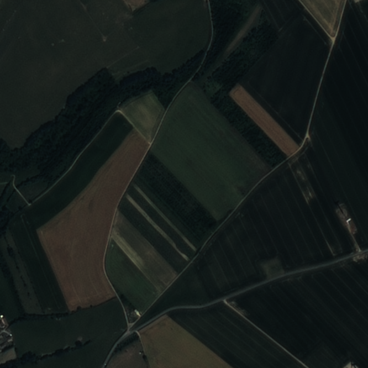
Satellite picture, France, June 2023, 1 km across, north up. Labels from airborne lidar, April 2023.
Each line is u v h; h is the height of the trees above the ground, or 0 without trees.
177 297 0
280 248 0
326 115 0
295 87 0
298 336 0
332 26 0
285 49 0
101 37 0
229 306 0
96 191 0
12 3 0
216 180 0
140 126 0
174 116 0
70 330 0
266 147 7
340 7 0
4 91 0
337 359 0
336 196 0
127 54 0
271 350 0
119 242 0
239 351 0
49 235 0
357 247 0
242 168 0
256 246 0
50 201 0
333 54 0
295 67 0
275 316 0
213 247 0
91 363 0
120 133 0
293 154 0
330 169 0
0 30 0
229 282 0
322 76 0
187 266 0
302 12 0
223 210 0
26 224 0
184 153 0
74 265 0
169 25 0
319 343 0
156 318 0
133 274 0
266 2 0
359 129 0
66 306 0
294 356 0
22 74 0
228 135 0
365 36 0
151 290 0
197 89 0
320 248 0
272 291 0
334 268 0
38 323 0
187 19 0
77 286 0
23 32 0
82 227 0
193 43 0
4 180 0
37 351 0
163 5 0
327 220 0
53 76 0
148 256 0
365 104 0
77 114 11
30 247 0
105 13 0
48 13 0
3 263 10
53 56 0
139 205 0
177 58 0
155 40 0
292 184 0
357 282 0
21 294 0
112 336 0
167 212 0
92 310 0
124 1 0
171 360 0
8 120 0
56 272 0
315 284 0
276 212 0
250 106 0
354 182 0
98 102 6
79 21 0
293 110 0
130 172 0
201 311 0
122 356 0
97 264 0
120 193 0
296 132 0
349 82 0
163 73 0
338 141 0
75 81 0
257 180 0
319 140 0
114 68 0
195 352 0
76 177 0
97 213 0
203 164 0
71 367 0
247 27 0
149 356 0
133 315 0
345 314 0
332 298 0
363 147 0
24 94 0
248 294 0
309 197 0
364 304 0
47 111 0
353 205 0
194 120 0
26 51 0
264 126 0
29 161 16
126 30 0
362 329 0
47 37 0
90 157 0
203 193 0
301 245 0
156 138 0
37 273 0
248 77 0
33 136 17
